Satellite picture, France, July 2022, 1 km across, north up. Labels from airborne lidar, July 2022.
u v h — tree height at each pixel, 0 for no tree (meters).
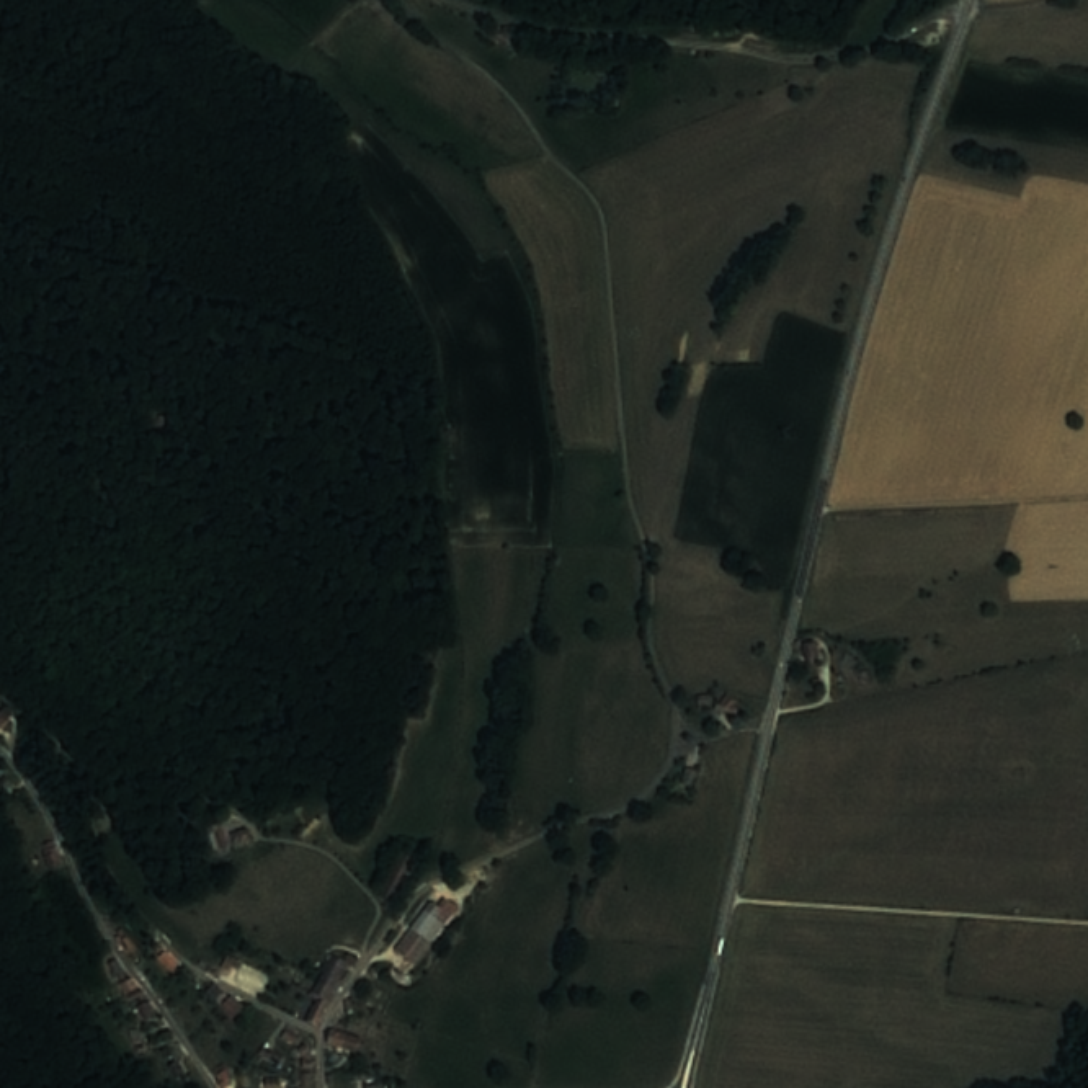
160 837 30
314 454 34
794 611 0
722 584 0
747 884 0
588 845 0
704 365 0
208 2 0
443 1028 0
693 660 0
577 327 0
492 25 23
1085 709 0
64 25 24
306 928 0
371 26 0
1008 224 0
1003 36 0
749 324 0
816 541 0
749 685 0
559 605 0
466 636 0
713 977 0
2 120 13
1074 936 0
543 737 0
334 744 28
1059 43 0
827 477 0
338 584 34
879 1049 0
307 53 0
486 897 0
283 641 31
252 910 0
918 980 0
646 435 0
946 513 0
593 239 0
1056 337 0
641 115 0
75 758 24
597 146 0
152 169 17
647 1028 0
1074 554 0
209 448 26
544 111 0
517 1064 0
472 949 0
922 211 0
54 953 29
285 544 32
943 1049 0
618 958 0
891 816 0
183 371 29
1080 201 0
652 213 0
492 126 0
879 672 6
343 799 28
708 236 0
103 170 16
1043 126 0
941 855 0
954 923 0
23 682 25
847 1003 0
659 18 22
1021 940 0
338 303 19
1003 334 0
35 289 33
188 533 23
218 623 23
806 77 0
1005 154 13
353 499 34
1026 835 0
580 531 0
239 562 29
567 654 0
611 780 0
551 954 0
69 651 17
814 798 0
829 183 0
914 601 0
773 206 0
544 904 0
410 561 33
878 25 0
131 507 24
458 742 0
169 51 30
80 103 13
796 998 0
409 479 39
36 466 24
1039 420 0
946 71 0
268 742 30
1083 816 0
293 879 0
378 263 18
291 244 17
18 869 33
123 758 28
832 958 0
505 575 0
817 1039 0
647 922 0
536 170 0
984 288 0
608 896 0
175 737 29
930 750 0
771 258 20
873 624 0
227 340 31
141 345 27
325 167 29
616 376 0
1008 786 0
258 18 0
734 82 0
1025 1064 0
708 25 28
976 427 0
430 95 0
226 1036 0
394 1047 0
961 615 0
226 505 25
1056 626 0
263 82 24
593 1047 0
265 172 34
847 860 0
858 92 0
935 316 0
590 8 28
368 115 0
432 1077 0
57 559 27
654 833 0
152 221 14
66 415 28
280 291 17
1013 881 0
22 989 32
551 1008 18
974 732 0
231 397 31
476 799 0
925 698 0
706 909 0
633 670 0
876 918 0
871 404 0
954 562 0
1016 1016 0
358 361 28
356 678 29
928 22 0
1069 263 0
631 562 0
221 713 30
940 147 0
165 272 18
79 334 30
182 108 31
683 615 0
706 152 0
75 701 25
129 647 17
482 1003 0
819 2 28
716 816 0
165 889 22
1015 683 0
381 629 31
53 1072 30
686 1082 0
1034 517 0
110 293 29
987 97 0
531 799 0
